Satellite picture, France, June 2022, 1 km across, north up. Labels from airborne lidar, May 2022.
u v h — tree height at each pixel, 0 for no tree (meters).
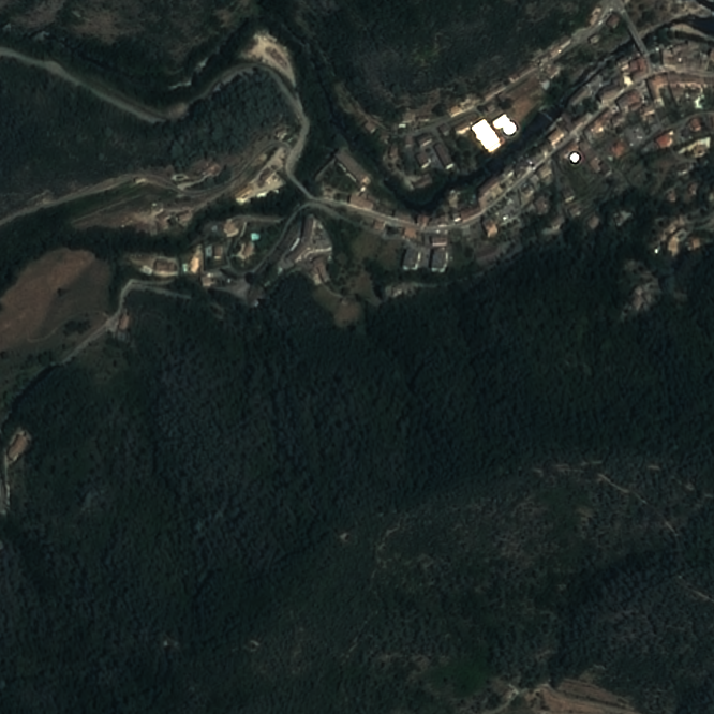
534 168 0
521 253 14
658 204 16
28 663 13
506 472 18
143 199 0
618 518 15
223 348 25
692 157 9
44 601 15
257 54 0
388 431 18
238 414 15
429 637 25
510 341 24
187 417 21
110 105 16
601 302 9
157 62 13
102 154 6
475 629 12
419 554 8
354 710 10
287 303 17
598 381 15
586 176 0
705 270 23
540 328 8
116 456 13
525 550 6
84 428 9
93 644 6
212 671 13
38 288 0
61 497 8
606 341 15
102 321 0
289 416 23
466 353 20
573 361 14
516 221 7
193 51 14
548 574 9
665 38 14
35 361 11
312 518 14
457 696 6
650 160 10
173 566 11
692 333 13
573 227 15
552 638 19
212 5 10
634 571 6
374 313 13
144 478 29
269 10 23
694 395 23
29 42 18
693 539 10
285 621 14
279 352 18
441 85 11
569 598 16
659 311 13
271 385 15
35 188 6
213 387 28
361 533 18
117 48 20
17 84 7
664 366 21
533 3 7
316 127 8
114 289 8
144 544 11
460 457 19
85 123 13
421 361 13
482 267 9
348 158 0
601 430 22
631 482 9
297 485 15
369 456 20
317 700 7
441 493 23
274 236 10
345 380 17
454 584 10
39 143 7
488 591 11
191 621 20
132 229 9
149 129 13
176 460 30
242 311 32
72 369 16
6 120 8
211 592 22
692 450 16
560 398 7
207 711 6
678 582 16
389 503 16
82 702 17
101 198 7
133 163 8
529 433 22
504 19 9
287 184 6
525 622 10
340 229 7
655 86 0
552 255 17
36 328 0
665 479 13
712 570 15
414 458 24
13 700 22
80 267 0
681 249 6
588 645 25
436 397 22
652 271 19
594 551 7
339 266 7
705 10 0
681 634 9
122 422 21
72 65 7
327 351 32
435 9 12
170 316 7
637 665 8
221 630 15
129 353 7
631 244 13
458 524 11
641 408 21
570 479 12
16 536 15
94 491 23
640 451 12
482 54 10
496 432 24
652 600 20
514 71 7
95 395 10
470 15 9
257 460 12
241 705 12
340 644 7
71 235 17
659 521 28
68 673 16
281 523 14
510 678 8
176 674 11
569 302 9
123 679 22
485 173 15
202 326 9
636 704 8
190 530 11
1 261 16
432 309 7
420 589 6
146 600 10
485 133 0
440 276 13
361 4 15
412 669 8
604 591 22
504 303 13
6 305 0
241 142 20
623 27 16
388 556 7
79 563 20
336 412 27
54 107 7
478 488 13
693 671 7
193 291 18
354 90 12
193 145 9
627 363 13
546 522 7
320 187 8
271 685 8
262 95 18
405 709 7
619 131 7
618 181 18
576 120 7
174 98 15
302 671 7
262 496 22
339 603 13
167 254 10
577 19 9
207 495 12
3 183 6
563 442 17
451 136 6
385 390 25
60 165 9
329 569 15
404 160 11
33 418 17
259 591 24
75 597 9
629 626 25
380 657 22
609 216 14
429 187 15
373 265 12
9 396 10
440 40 11
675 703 9
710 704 10
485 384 25
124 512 9
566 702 0
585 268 18
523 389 25
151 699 17
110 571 7
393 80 7
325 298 0
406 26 11
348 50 8
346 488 21
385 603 15
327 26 11
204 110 13
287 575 22
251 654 14
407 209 5
